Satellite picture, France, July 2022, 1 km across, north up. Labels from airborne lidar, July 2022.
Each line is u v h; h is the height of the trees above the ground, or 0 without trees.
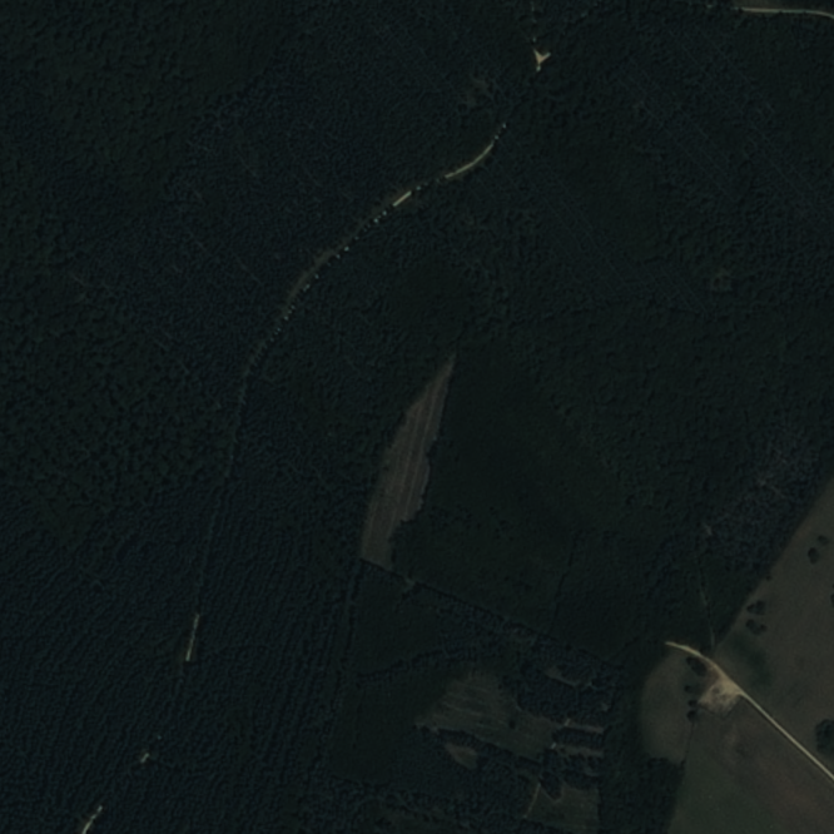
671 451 19
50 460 18
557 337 17
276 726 12
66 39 22
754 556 26
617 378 17
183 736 23
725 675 0
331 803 22
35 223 18
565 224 13
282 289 19
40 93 18
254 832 25
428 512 10
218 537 16
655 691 0
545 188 15
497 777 23
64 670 20
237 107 22
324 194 19
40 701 19
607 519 7
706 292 17
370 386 19
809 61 9
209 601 19
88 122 20
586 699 21
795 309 19
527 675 23
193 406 23
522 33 7
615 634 15
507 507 8
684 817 0
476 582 9
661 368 20
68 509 18
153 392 14
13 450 13
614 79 15
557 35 19
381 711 10
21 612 14
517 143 15
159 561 24
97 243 16
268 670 16
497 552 7
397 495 0
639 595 13
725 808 0
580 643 20
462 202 20
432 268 11
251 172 24
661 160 13
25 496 23
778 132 16
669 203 14
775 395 19
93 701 18
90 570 25
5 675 22
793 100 12
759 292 17
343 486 17
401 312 12
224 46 19
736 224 14
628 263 15
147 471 17
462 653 19
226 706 21
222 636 16
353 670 9
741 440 19
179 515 21
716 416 17
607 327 19
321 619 18
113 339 21
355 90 13
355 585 8
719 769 0
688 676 0
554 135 26
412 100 17
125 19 19
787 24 11
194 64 15
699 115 14
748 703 0
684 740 0
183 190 19
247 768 20
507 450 10
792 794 0
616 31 16
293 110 18
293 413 14
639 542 16
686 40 17
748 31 9
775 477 23
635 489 17
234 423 26
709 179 16
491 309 19
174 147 18
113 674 15
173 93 18
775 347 17
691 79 20
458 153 12
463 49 16
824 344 20
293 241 19
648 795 16
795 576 0
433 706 8
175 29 20
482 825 18
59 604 15
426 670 7
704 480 17
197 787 21
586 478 6
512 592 6
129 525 18
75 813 22
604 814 14
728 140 12
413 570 13
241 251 20
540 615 11
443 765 17
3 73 18
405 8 15
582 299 11
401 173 20
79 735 17
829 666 0
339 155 18
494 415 8
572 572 10
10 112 19
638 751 15
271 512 20
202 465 17
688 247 18
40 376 19
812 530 0
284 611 25
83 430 14
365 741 10
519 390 9
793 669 0
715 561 8
